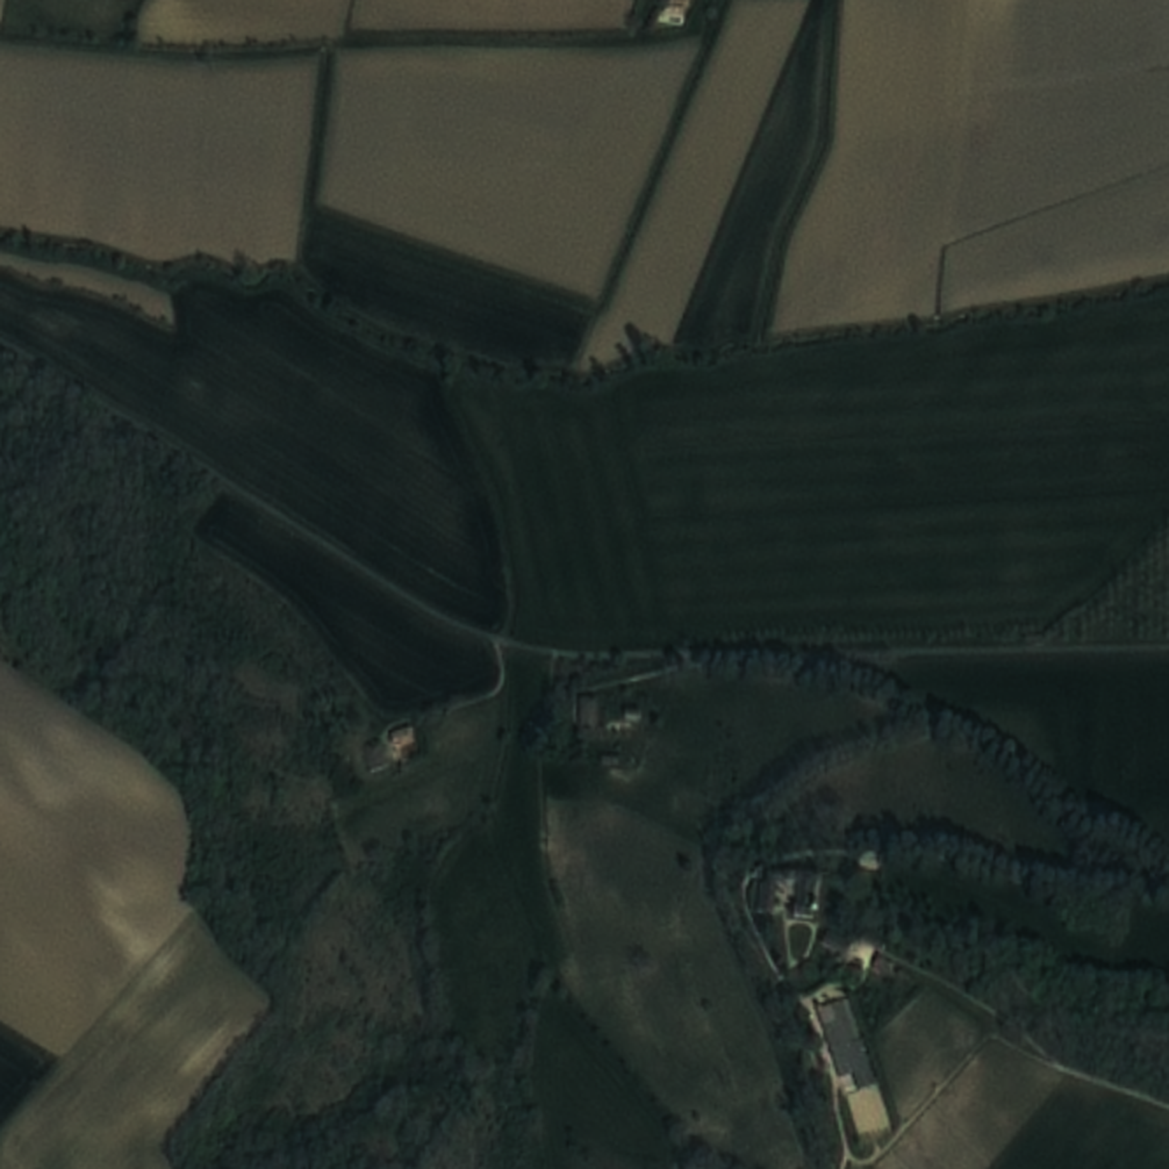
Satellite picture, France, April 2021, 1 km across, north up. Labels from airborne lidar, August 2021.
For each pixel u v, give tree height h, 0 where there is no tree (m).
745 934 15
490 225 0
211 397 0
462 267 0
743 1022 0
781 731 0
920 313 0
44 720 0
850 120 0
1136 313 0
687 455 0
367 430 0
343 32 0
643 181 0
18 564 11
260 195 0
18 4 0
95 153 0
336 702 17
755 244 0
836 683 18
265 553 0
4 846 0
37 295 0
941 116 0
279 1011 16
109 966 0
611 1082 0
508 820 0
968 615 0
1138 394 0
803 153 0
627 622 0
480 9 0
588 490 0
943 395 0
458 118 0
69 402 12
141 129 0
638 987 0
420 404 0
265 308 0
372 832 0
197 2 0
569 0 0
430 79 0
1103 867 24
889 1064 0
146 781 0
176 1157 15
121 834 0
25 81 0
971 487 0
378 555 0
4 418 13
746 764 0
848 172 0
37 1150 0
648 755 0
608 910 0
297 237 0
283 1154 18
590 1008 0
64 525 12
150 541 12
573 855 0
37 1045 0
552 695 14
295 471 0
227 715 15
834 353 0
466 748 0
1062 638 13
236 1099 28
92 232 0
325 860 7
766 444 0
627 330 0
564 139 0
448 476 0
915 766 0
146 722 23
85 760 0
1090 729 0
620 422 0
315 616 0
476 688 0
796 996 19
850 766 10
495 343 0
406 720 0
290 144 0
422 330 0
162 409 0
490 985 0
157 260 0
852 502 0
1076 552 0
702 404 0
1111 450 0
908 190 0
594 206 0
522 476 0
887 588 0
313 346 0
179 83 0
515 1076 9
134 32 10
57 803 0
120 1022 0
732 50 0
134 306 7
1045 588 0
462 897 0
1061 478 0
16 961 0
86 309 0
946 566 0
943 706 0
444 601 0
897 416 0
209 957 0
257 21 0
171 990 0
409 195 0
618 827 0
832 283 0
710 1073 0
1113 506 0
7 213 0
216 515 0
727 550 0
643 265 0
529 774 0
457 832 10
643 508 0
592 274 0
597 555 0
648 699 7
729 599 0
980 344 0
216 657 10
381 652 0
